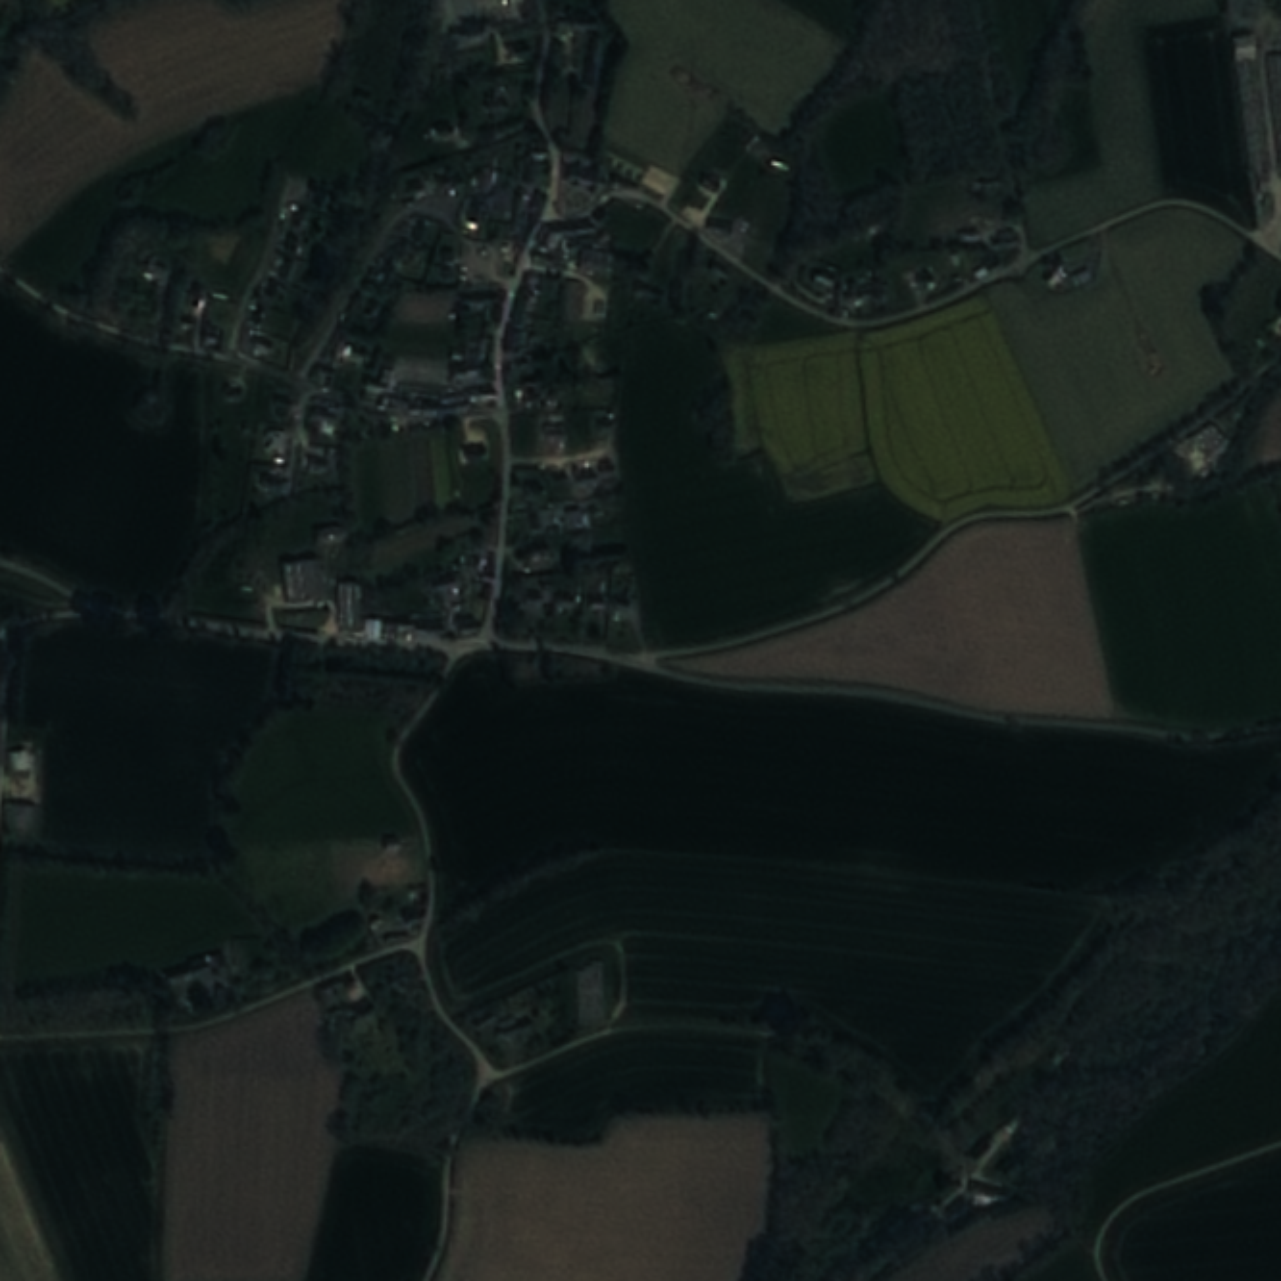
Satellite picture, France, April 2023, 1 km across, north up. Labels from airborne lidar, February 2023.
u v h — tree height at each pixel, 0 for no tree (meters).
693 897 0
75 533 0
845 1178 19
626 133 0
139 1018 14
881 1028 0
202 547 6
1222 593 0
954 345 0
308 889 0
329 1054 14
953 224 0
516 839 0
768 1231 16
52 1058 0
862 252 0
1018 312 0
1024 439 0
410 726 10
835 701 0
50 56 12
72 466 0
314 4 0
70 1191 0
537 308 0
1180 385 0
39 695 0
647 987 0
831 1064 20
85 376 0
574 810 0
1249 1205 0
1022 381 0
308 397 0
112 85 15
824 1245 10
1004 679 0
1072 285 0
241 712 0
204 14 0
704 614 0
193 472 0
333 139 0
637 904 0
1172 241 0
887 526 0
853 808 0
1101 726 0
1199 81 0
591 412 0
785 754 0
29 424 0
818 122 18
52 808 0
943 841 0
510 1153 0
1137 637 0
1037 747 0
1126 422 0
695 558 0
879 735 0
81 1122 0
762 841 0
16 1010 25
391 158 21
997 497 0
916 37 17
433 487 0
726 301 0
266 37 0
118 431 0
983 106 19
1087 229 0
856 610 0
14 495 0
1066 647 0
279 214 0
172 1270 0
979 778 0
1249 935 10
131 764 0
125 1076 0
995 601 0
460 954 0
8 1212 0
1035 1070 0
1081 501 0
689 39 0
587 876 0
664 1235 0
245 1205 0
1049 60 14
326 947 15
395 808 0
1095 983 23
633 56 0
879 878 0
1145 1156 0
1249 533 0
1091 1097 13
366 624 0
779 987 0
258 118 0
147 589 0
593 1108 0
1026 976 0
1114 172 0
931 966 0
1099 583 0
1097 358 0
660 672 0
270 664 0
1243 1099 0
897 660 0
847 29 0
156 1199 0
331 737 0
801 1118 0
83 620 20
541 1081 0
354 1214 0
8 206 0
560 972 10
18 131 0
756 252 0
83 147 0
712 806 0
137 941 0
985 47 12
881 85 14
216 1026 0
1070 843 0
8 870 20
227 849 20
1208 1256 0
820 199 17
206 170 0
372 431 8
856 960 0
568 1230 0
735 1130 0
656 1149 0
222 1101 0
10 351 0
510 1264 0
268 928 13
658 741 0
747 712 0
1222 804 0
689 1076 0
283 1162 0
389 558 0
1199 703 0
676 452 0
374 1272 0
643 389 0
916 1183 0
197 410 0
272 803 0
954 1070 0
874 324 0
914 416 0
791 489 0
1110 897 11
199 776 0
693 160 0
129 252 8
